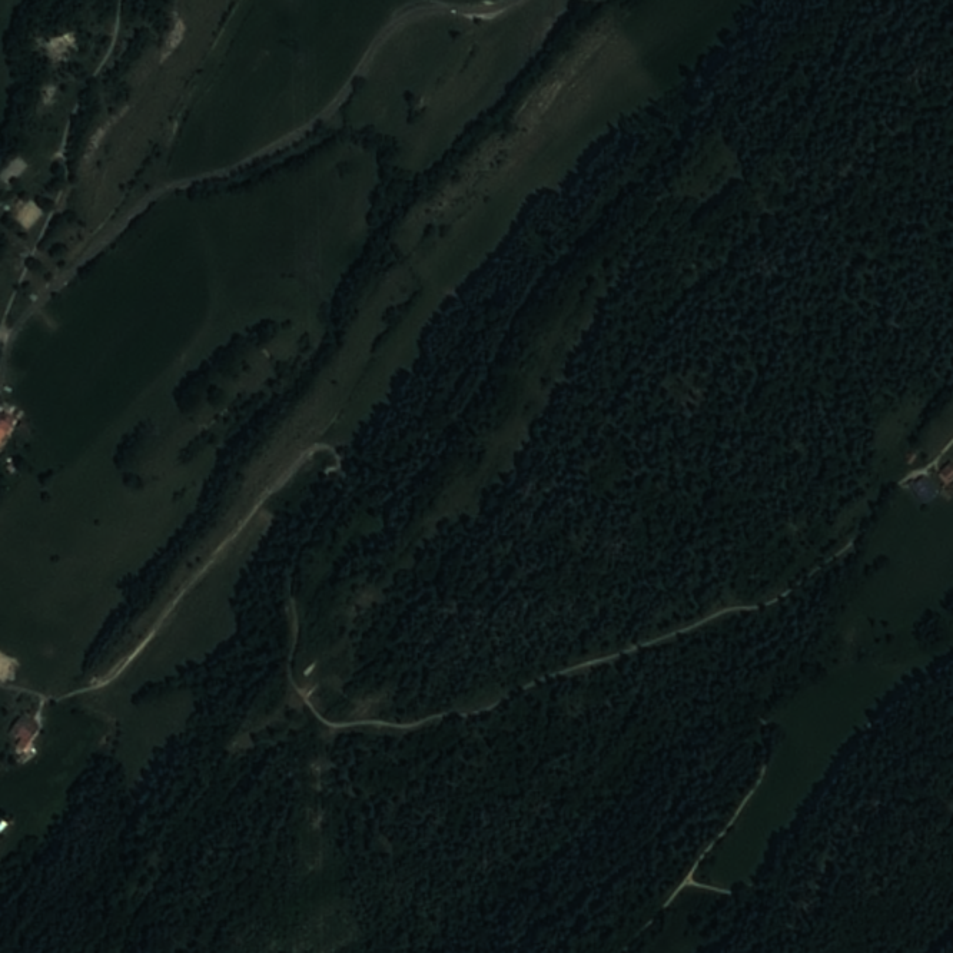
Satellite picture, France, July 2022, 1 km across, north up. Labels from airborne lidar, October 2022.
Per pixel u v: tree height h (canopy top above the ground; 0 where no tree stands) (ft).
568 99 0
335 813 21
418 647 57
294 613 0
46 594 0
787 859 79
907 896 67
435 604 49
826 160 83
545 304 88
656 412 20
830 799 91
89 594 0
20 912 106
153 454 0
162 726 0
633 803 96
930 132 44
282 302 0
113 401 0
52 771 0
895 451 0
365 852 47
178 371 0
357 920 29
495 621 54
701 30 0
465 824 33
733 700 53
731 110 59
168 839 29
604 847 103
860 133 52
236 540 0
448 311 64
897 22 97
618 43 0
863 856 66
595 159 90
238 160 0
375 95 0
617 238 75
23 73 36
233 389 0
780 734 66
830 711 0
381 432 84
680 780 82
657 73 0
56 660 0
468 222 0
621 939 26
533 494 64
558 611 29
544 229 72
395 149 31
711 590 83
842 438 78
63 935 76
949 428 0
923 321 38
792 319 51
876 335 22
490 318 81
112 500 0
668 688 33
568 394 82
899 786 59
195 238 0
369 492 19
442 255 0
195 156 0
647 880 73
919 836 68
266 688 83
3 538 0
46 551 0
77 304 0
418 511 66
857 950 76
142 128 0
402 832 61
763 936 75
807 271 78
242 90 0
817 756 0
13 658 0
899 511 0
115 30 0
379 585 25
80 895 86
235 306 0
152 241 0
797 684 27
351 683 19
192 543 35
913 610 0
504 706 23
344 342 26
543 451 28
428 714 22
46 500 33
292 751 33
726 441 78
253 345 26
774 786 0
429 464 67
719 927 73
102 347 0
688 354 63
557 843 67
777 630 22
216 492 64
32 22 54
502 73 0
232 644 32
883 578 0
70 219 46
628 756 47
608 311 60
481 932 79
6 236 31
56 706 39
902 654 0
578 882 84
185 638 0
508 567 21
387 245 54
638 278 54
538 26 0
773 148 80
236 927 39
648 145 77
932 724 64
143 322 0
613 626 93
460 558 85
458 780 49
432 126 0
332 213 0
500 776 22
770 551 40
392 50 0
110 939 54
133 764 0
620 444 22
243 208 0
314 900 17
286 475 0
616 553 52
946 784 81
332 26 0
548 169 0
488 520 25
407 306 30
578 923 50
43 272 45
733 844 0
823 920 60
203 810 21
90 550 0
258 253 0
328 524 48
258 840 54
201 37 0
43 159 0
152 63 0
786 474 84
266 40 0
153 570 60
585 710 21
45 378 0
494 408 68
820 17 100
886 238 23
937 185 45
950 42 59
